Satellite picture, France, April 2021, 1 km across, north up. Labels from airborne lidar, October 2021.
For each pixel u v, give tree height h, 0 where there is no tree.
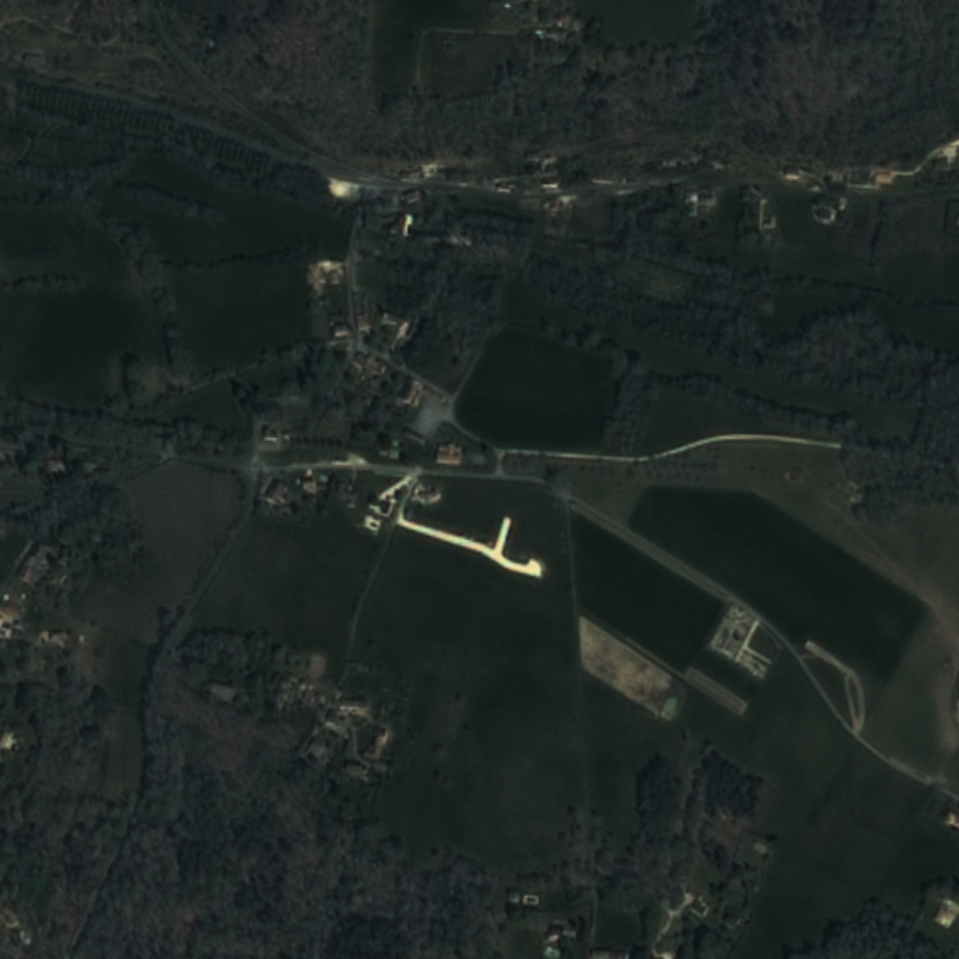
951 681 0
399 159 8
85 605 0
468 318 11
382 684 0
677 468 11
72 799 17
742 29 26
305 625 0
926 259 0
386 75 0
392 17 0
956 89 23
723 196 0
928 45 18
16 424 16
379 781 5
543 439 0
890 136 19
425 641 0
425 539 0
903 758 0
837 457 0
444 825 0
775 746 0
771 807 0
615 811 0
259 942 17
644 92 20
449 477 0
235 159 24
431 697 0
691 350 10
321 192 20
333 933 9
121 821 15
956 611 0
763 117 15
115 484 10
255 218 0
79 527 12
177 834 11
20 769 0
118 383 0
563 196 0
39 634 8
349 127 16
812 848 0
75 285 12
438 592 0
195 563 0
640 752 0
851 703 0
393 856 9
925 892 13
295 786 22
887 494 17
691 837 14
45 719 14
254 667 6
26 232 0
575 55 8
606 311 12
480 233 18
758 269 0
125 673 0
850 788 0
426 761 0
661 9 0
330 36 15
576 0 0
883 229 13
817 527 0
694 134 16
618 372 17
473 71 0
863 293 11
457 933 23
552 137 17
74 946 6
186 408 0
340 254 0
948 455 18
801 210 0
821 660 0
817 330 20
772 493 0
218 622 0
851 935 17
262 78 12
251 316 0
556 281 16
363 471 0
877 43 17
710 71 25
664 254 16
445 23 0
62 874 6
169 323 6
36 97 23
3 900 8
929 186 14
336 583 0
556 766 0
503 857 0
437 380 0
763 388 0
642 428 10
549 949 0
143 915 16
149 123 20
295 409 0
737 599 0
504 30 0
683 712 0
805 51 19
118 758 0
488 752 0
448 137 17
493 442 0
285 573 0
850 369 10
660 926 19
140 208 14
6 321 0
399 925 7
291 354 12
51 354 0
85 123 23
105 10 16
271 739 19
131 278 0
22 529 17
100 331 0
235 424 0
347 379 10
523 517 0
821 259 0
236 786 19
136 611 0
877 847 0
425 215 7
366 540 0
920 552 0
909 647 0
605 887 19
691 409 0
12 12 17
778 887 0
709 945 21
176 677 18
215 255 0
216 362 0
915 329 0
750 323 20
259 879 8
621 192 0
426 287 9
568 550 0
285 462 0
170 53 7
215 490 0
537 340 0
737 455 0
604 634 0
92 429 18
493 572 0
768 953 0
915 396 7
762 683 0
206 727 21
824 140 9
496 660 0
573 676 0
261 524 0
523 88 14
